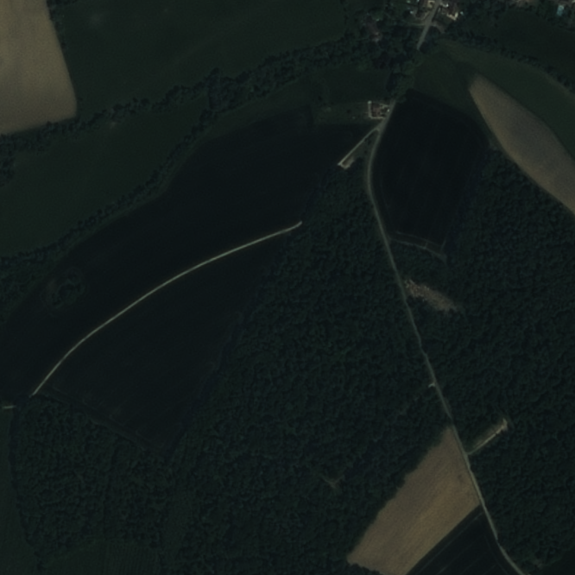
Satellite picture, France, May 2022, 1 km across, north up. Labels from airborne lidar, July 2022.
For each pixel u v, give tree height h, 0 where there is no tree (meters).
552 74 18
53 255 22
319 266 21
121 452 30
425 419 16
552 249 29
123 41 0
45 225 0
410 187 0
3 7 0
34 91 0
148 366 0
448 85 0
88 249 0
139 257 0
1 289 10
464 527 0
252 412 26
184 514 29
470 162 0
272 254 0
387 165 0
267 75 13
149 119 0
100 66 0
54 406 26
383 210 0
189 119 0
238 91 19
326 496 28
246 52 0
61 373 0
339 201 31
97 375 0
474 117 0
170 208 0
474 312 25
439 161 0
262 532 23
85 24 0
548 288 24
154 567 9
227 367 25
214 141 0
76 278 18
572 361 29
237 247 0
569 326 30
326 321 10
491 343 26
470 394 19
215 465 23
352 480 25
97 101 0
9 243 0
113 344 0
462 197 0
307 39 0
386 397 29
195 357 0
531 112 0
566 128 0
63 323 0
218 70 12
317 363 30
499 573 0
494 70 0
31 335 0
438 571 0
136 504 17
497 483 18
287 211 0
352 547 21
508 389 28
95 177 0
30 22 0
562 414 28
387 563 0
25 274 29
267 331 29
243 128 0
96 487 28
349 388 24
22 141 17
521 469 13
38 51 0
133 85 0
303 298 30
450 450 0
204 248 0
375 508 25
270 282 19
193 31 0
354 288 22
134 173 0
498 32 0
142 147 0
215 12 0
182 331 0
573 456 15
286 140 0
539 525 24
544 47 0
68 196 0
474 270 25
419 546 0
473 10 21
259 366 22
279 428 26
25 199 0
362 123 0
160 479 17
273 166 0
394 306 24
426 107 0
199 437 23
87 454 28
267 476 27
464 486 0
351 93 0
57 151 0
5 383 0
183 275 0
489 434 0
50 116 0
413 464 28
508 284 8
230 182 0
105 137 0
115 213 18
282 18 0
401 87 27
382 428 24
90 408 0
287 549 24
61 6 16
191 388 0
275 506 28
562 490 25
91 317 0
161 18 0
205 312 0
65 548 21
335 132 0
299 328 35
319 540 26
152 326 0
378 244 21
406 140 0
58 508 18
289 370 27
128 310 0
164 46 0
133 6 0
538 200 20
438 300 0
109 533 28
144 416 0
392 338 21
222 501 23
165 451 0
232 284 0
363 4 0
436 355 21
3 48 0
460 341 21
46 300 0
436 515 0
